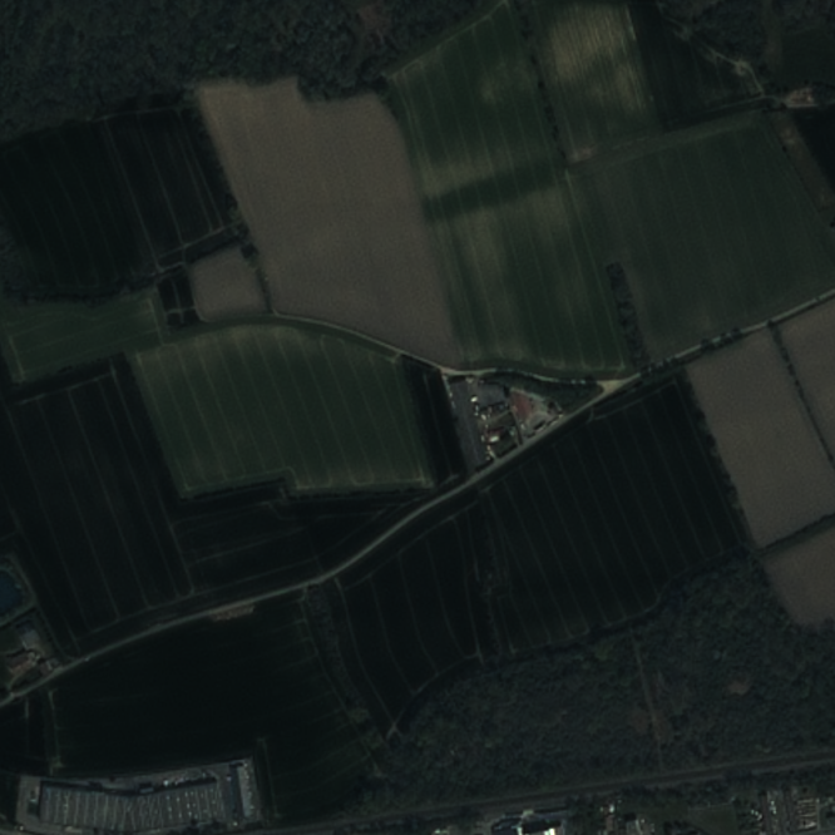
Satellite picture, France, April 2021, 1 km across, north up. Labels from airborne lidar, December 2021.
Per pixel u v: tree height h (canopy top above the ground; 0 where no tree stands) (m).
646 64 0
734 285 0
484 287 0
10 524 0
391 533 0
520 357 0
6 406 0
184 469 0
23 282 7
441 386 0
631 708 13
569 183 0
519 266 0
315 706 0
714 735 7
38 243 0
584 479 0
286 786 0
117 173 0
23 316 0
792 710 7
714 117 0
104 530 0
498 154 0
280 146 0
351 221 0
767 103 0
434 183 0
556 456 0
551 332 0
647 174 0
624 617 0
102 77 22
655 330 0
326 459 0
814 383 0
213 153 13
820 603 0
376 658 0
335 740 0
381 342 0
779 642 25
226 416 0
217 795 0
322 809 0
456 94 0
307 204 0
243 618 0
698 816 0
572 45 0
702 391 0
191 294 0
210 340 0
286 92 0
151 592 0
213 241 0
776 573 0
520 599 0
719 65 0
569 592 0
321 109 0
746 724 7
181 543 0
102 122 0
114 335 0
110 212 0
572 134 0
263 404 0
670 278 0
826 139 0
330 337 0
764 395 0
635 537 0
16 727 0
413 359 6
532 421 0
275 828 0
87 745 0
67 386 0
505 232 0
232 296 0
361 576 0
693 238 0
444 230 0
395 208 0
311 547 0
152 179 0
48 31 10
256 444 0
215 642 0
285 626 0
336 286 0
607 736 6
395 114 6
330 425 0
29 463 0
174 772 0
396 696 0
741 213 0
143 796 0
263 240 0
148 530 0
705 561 0
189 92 22
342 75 20
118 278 0
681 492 0
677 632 9
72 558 0
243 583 0
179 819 0
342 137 0
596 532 0
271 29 16
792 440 0
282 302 0
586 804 13
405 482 0
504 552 0
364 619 0
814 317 0
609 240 0
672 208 0
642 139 0
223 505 0
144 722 0
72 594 0
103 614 0
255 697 0
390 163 0
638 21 0
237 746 0
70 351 0
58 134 0
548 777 20
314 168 0
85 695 0
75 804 0
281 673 0
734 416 0
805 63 0
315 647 0
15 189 0
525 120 0
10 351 0
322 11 21
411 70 0
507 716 6
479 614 0
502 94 0
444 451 0
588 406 0
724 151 0
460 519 0
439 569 0
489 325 0
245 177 0
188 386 0
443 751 8
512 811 0
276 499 0
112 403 0
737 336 13
